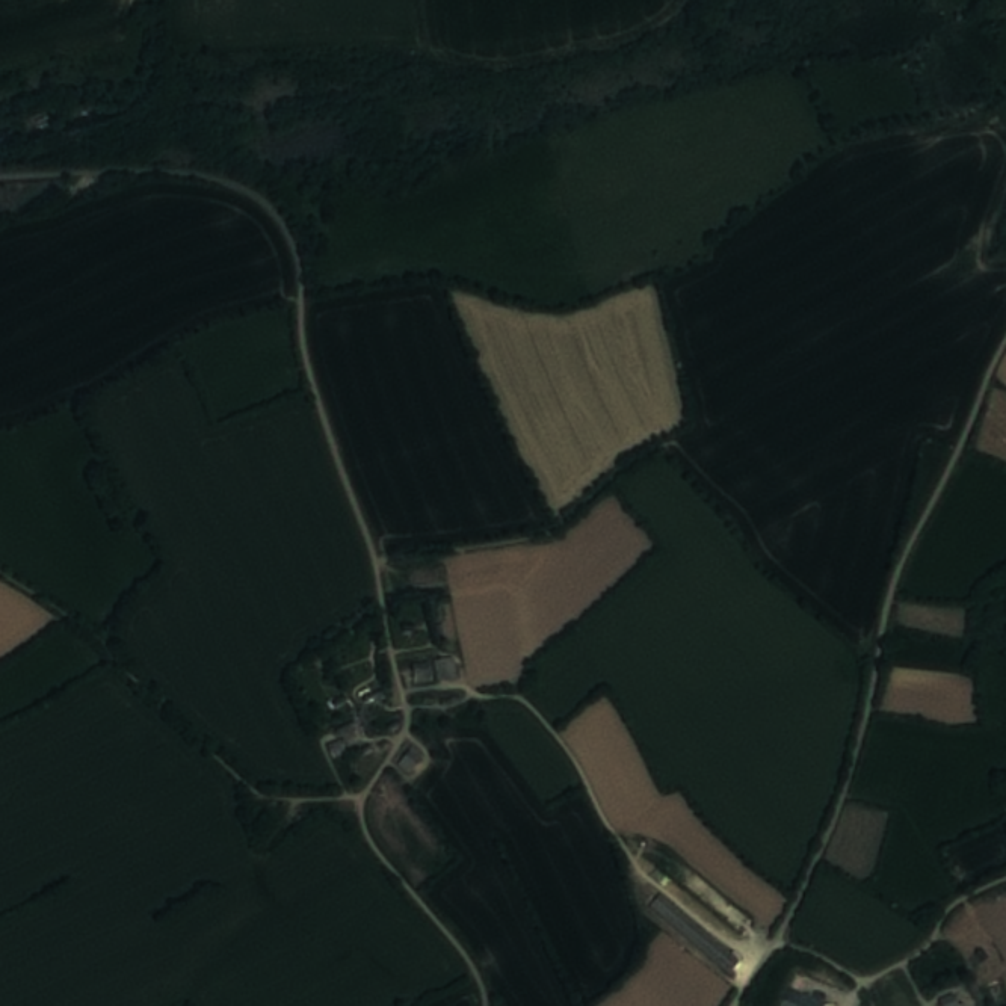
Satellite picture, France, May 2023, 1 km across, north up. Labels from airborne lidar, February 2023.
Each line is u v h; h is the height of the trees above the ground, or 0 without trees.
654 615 0
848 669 0
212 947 0
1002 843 0
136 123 20
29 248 0
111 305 0
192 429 0
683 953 0
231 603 0
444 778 0
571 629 11
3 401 0
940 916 11
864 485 0
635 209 0
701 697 0
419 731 10
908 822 0
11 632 0
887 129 19
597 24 0
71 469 0
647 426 0
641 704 0
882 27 0
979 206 0
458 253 0
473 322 0
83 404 19
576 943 0
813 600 0
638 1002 0
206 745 11
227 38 0
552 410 0
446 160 10
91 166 15
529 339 0
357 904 0
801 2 7
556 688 0
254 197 0
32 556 0
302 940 0
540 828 0
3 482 0
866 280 0
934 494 0
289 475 0
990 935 0
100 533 0
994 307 0
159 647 0
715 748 0
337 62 7
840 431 0
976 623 9
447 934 0
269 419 0
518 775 0
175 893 0
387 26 0
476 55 0
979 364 0
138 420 0
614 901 0
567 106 5
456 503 0
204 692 0
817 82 0
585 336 0
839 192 0
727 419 0
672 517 0
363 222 0
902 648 0
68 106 20
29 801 0
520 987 0
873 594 0
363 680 0
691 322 0
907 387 0
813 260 0
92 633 9
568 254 0
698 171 0
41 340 0
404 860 0
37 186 0
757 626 0
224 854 0
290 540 0
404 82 10
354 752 12
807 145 0
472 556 0
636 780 0
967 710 0
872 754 0
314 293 12
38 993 0
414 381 0
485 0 0
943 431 0
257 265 0
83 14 0
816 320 0
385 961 0
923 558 0
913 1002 0
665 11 0
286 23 0
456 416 0
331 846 0
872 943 0
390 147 13
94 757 0
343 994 0
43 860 0
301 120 13
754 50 8
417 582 0
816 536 0
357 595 0
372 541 0
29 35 0
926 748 0
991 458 8
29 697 0
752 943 0
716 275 0
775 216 0
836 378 0
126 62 0
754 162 0
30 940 0
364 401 0
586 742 0
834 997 0
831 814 11
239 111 14
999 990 0
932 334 0
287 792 12
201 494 0
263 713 0
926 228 0
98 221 0
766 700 0
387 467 0
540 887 0
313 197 10
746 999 8
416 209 0
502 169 0
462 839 0
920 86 9
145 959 0
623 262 0
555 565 0
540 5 0
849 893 0
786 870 0
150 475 0
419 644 0
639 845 0
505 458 0
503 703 0
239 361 0
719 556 0
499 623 0
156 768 0
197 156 10
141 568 0
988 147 0
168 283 0
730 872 0
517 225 0
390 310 0
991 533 0
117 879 0
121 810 0
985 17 11
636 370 0
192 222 0
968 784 0
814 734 0
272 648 0
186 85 18
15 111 26
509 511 0
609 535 0
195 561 0
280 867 0
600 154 0
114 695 0
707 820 5
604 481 9
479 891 0
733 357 0
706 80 7
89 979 0
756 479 0
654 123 0
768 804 0
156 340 0
